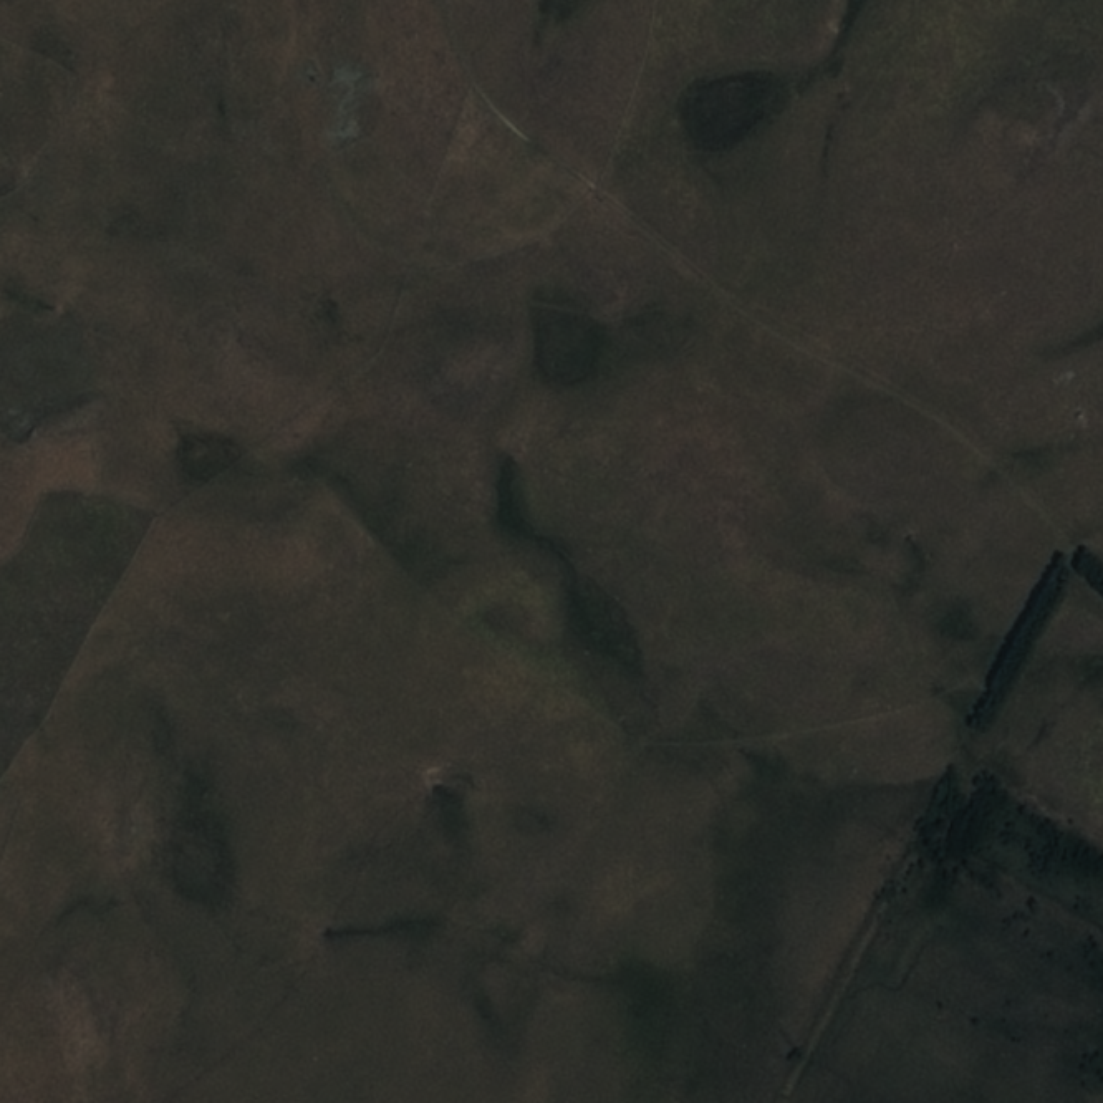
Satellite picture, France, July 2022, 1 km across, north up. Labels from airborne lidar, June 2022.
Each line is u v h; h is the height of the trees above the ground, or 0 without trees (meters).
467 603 0
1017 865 0
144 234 0
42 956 0
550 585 0
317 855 0
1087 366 0
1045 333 0
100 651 0
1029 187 0
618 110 0
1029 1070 0
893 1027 0
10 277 0
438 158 0
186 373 0
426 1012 0
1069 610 0
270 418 0
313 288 0
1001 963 0
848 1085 0
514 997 0
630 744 0
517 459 0
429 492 0
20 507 0
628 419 0
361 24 0
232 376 0
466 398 0
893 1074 0
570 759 0
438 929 0
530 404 0
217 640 0
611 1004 0
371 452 0
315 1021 0
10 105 0
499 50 0
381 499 0
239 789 0
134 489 0
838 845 0
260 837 0
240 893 0
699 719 0
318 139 0
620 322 0
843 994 0
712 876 0
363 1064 0
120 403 0
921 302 0
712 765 0
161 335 0
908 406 0
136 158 0
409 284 0
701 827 0
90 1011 0
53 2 0
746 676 0
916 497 0
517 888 0
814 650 0
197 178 0
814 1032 0
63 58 0
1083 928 0
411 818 0
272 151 0
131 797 0
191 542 0
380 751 0
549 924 0
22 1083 0
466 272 0
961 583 0
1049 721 0
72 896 0
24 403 0
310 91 0
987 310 0
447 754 0
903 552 0
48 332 0
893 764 0
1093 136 0
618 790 0
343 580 0
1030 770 0
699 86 0
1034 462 0
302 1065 0
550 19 0
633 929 0
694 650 0
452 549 0
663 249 0
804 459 0
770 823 0
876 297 0
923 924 0
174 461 0
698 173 0
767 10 0
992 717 15
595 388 0
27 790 0
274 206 0
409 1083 0
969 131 0
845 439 0
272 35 0
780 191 0
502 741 0
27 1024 0
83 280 0
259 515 0
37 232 0
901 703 0
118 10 0
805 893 0
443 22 0
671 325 0
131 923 0
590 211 0
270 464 0
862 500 0
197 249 0
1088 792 0
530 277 0
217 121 0
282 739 0
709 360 0
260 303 0
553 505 0
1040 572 0
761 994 0
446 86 0
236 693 0
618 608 0
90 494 0
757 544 0
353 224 0
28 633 0
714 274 0
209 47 0
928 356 0
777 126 0
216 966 0
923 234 0
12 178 0
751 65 0
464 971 0
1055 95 0
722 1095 0
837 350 0
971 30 0
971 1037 0
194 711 0
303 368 0
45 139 0
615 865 0
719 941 0
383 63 0
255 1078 0
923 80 0
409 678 0
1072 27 0
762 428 0
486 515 0
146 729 0
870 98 0
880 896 7
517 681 0
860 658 0
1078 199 0
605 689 0
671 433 0
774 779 0
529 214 0
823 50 0
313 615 0
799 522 0
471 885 0
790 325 0
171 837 0
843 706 0
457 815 0
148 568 0
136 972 0
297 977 0
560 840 0
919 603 0
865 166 0
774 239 0
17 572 0
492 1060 0
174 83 0
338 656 0
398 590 0
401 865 0
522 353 0
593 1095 0
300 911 0
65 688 0
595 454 0
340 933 0
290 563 0
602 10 0
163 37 0
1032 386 0
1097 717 0
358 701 0
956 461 0
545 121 0
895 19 0
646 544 0
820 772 0
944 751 0
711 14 0
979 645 0
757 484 0
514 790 0
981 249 0
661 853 0
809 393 0
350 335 0
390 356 0
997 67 0
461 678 0
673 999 0
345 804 0
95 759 0
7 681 0
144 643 0
